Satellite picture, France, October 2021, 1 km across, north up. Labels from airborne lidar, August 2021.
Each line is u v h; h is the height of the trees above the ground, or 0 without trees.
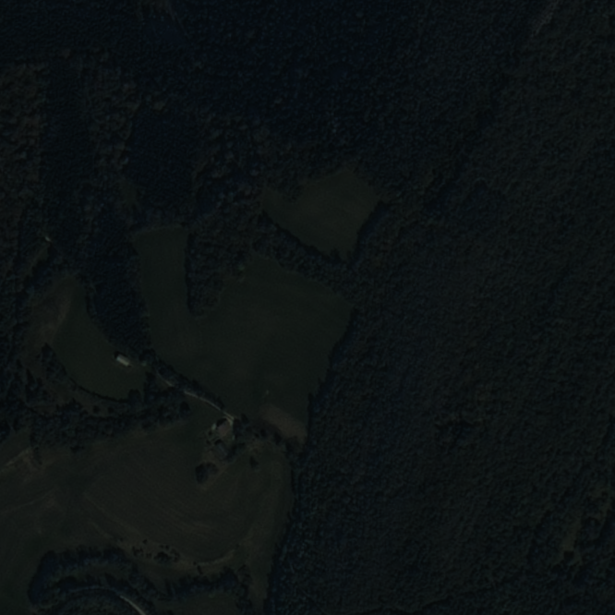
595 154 7
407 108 23
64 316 0
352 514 15
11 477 0
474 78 25
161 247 0
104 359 0
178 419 18
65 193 19
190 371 0
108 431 18
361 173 18
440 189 8
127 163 21
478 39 22
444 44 16
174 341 0
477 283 11
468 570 19
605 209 15
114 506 0
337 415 17
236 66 27
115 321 24
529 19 28
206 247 15
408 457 7
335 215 0
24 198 23
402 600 12
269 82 23
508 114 15
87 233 18
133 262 19
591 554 18
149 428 21
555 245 17
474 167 12
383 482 12
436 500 16
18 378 16
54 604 13
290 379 0
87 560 21
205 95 19
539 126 13
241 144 11
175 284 0
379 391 15
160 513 0
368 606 15
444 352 14
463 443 20
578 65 12
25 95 29
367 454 10
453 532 7
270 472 0
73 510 0
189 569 0
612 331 13
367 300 18
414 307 8
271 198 0
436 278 10
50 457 0
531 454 17
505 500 16
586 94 18
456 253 19
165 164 24
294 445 0
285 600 21
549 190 6
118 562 19
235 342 0
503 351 16
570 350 15
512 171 11
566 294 16
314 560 14
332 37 30
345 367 16
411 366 6
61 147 25
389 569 16
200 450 0
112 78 24
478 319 15
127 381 0
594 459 15
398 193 22
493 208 21
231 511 0
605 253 11
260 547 0
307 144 28
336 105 25
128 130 20
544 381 14
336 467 16
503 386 15
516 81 6
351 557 10
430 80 20
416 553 18
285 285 0
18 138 28
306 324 0
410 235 20
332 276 16
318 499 16
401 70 21
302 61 16
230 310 0
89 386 0
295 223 0
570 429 14
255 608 10
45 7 24
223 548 0
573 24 11
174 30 26
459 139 8
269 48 28
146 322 18
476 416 24
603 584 20
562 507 15
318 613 15
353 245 0
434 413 18
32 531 0
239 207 21
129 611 12
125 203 12
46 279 21
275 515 0
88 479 0
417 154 27
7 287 18
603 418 21
